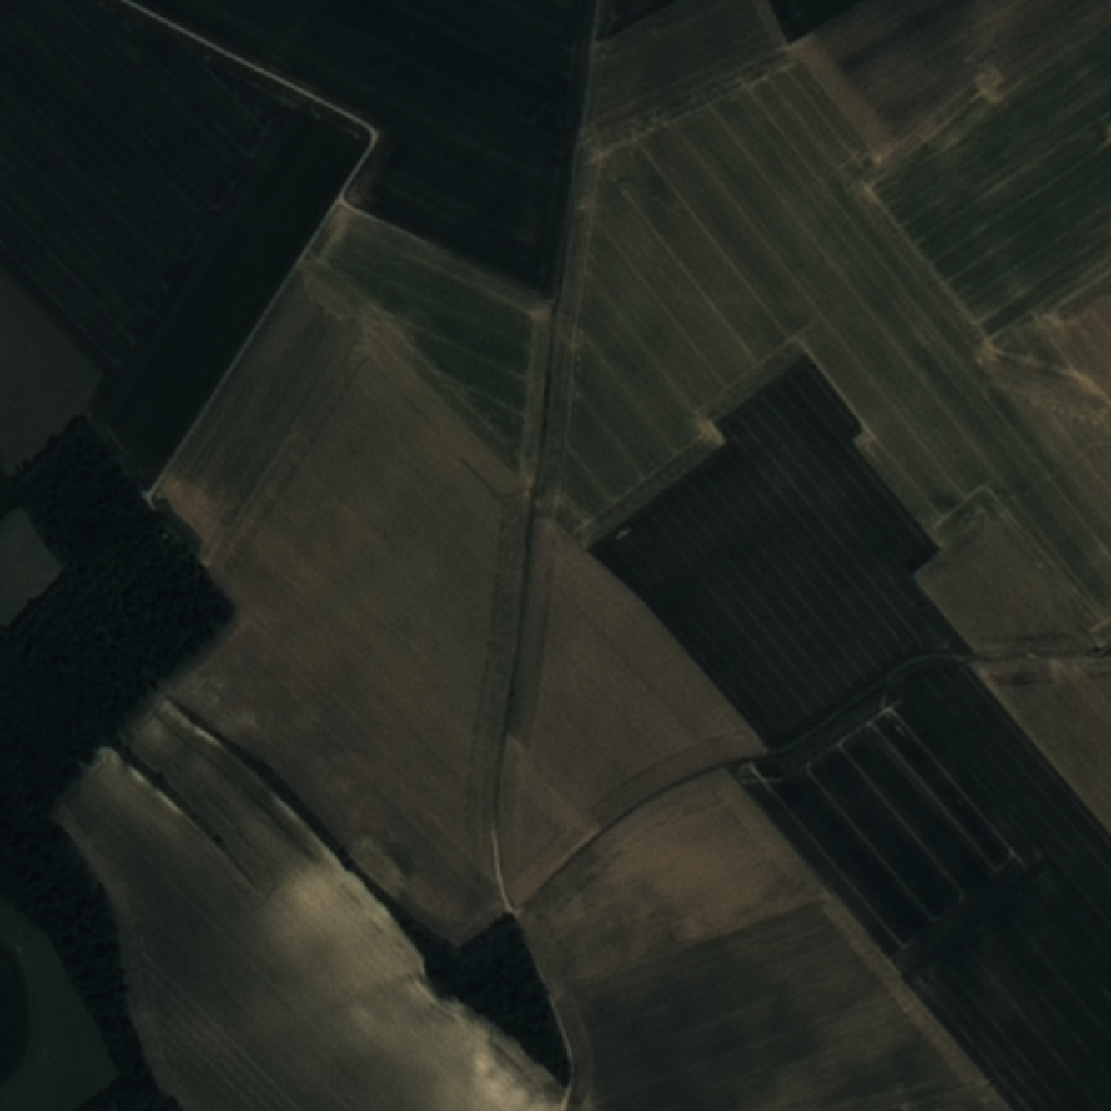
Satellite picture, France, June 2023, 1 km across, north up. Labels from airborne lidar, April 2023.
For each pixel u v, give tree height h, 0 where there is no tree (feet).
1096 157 0
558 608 0
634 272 0
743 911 0
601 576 0
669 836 0
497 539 0
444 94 0
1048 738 0
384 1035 0
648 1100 0
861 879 0
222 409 0
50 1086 0
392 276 0
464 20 0
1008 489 0
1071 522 0
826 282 0
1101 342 0
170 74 0
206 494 0
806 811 0
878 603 0
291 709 0
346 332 0
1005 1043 0
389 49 0
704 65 0
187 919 0
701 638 0
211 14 0
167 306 0
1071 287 0
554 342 0
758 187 0
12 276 0
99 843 0
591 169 0
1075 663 0
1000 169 0
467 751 0
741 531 0
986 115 0
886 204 0
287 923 0
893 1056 0
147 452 0
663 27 0
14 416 0
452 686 0
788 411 0
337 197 0
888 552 0
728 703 0
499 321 0
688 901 0
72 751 60
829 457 0
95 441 38
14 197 0
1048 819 0
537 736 0
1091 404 0
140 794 0
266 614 0
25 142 0
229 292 0
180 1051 0
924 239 0
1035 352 0
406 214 0
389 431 0
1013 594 0
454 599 0
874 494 0
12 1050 0
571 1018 0
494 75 0
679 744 0
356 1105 0
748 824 0
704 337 0
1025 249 0
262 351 0
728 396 0
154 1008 0
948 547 0
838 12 0
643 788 0
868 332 0
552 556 0
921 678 0
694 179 0
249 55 0
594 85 0
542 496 0
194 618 45
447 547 0
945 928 0
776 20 0
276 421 0
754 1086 0
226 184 0
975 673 0
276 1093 0
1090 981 0
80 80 0
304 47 0
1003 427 0
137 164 0
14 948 0
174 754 0
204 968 0
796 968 0
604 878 0
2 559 0
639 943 0
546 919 0
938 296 0
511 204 0
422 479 0
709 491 0
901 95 0
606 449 0
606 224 0
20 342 0
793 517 0
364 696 0
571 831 0
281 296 0
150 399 0
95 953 70
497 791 0
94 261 0
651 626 0
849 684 0
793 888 0
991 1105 0
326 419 0
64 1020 0
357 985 0
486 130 0
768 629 0
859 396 0
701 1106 0
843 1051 0
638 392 0
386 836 0
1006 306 0
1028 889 0
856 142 0
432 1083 0
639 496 0
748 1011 0
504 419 0
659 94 0
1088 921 0
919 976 0
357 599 0
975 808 0
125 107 0
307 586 0
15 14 0
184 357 0
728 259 0
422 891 0
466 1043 0
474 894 0
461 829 0
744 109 0
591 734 0
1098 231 0
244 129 0
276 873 0
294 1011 0
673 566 0
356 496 0
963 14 0
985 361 0
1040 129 0
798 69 0
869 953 0
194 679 0
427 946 40
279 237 0
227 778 0
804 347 0
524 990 49
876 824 0
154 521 31
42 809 66
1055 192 0
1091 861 0
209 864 0
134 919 0
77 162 0
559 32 0
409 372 0
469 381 0
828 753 0
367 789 0
